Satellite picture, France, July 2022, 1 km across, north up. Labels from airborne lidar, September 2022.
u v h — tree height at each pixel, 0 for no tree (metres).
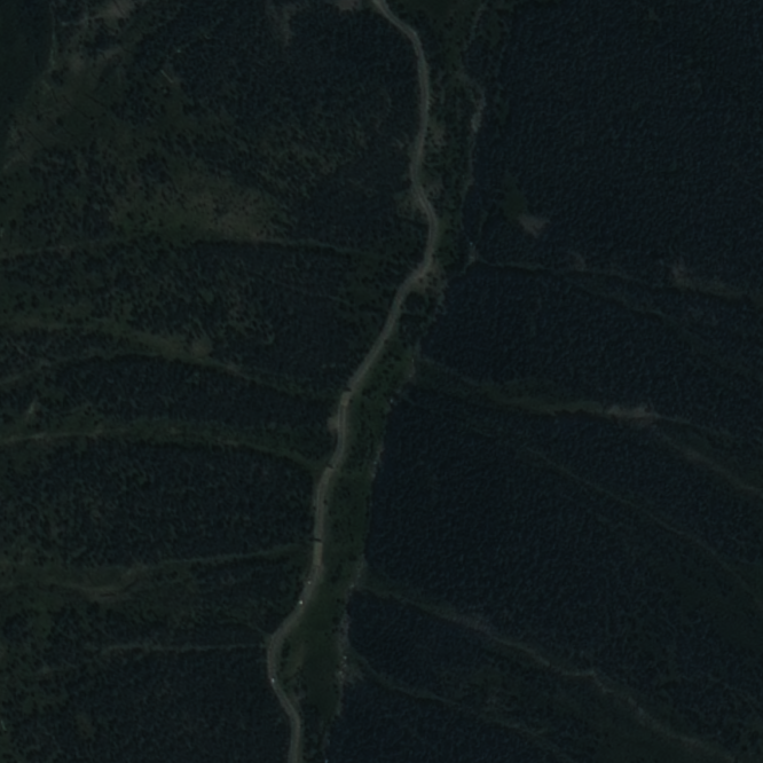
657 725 0
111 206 15
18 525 7
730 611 0
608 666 10
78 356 6
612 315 17
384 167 12
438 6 0
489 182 15
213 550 15
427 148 9
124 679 15
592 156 16
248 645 8
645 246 20
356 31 20
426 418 19
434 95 6
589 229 28
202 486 17
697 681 7
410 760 17
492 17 7
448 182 10
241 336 18
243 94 11
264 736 9
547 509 14
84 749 11
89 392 9
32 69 0
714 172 14
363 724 19
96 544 10
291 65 10
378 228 11
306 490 8
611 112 19
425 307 6
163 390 14
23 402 9
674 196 15
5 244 0
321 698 0
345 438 0
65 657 14
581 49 18
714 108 12
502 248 18
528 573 13
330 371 7
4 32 0
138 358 7
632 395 11
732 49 11
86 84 0
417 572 20
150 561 10
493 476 24
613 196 15
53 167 12
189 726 8
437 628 8
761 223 12
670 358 13
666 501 8
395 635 18
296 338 14
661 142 16
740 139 12
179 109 0
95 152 8
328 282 11
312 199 9
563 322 7
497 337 18
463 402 14
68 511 10
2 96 0
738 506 9
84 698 14
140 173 11
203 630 15
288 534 6
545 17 21
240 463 15
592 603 10
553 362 7
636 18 14
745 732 11
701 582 8
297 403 20
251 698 11
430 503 20
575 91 14
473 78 9
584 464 14
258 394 10
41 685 12
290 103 9
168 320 14
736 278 16
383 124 12
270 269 12
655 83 14
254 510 16
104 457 10
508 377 16
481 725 9
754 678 10
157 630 13
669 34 15
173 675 12
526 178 16
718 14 10
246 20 10
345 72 13
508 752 11
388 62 14
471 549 15
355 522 0
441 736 13
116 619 10
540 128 19
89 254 10
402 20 10
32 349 9
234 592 8
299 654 0
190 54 15
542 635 13
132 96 8
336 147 9
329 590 0
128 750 16
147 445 16
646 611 8
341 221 14
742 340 12
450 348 15
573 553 15
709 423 13
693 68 12
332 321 12
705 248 15
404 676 13
